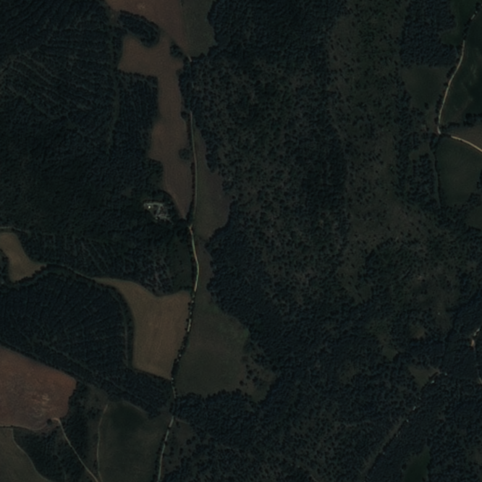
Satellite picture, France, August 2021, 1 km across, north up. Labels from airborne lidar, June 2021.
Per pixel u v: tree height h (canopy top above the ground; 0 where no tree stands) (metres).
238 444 15
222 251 12
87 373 9
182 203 0
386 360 8
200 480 14
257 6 7
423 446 18
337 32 0
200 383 0
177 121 0
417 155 0
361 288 13
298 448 10
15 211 7
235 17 9
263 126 7
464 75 0
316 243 7
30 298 11
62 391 0
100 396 0
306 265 9
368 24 6
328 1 10
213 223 0
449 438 13
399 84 11
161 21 0
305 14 8
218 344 0
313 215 9
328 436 6
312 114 5
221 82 6
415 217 0
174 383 9
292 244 6
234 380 0
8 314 10
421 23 10
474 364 15
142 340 0
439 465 12
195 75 11
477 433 10
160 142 0
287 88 8
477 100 0
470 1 0
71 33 10
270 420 17
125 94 8
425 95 0
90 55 11
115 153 16
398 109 15
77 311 10
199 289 0
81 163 12
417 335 0
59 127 15
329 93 9
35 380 0
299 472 9
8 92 14
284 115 8
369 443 17
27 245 11
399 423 12
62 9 10
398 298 6
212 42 0
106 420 0
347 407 11
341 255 10
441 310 0
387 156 0
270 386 0
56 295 8
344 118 7
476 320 12
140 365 0
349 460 13
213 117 10
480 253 6
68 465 14
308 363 12
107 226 16
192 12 0
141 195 9
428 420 15
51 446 9
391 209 0
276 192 9
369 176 0
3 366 0
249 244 11
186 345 8
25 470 0
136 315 0
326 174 8
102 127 13
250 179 8
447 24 13
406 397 6
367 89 9
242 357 0
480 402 16
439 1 15
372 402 10
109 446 0
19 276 0
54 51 10
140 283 7
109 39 13
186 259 0
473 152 0
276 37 12
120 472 0
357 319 10
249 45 11
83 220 8
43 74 7
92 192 10
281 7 11
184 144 0
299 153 9
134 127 9
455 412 16
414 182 6
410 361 11
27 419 0
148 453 0
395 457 15
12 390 0
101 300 12
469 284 15
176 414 10
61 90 11
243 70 7
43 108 18
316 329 10
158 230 9
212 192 0
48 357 9
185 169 0
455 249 8
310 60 9
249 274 8
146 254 9
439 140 8
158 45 0
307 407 16
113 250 10
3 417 0
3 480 0
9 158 7
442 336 11
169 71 0
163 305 0
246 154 7
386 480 11
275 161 8
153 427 0
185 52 0
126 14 12
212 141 10
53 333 10
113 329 9
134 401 10
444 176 0
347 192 8
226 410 9
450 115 0
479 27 0
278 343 16
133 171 17
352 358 13
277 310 10
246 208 7
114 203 14
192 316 5
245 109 7
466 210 8
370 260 18
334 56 0
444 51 11
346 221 10
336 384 16
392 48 19
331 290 11
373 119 9
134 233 14
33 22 10
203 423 17
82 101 10
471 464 9
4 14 10
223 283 17
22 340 10
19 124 10
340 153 8
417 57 11
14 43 9
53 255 8
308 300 8
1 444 0
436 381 11
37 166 6
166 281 10
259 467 10
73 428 12
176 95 0
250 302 6
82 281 11
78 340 9
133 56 0
